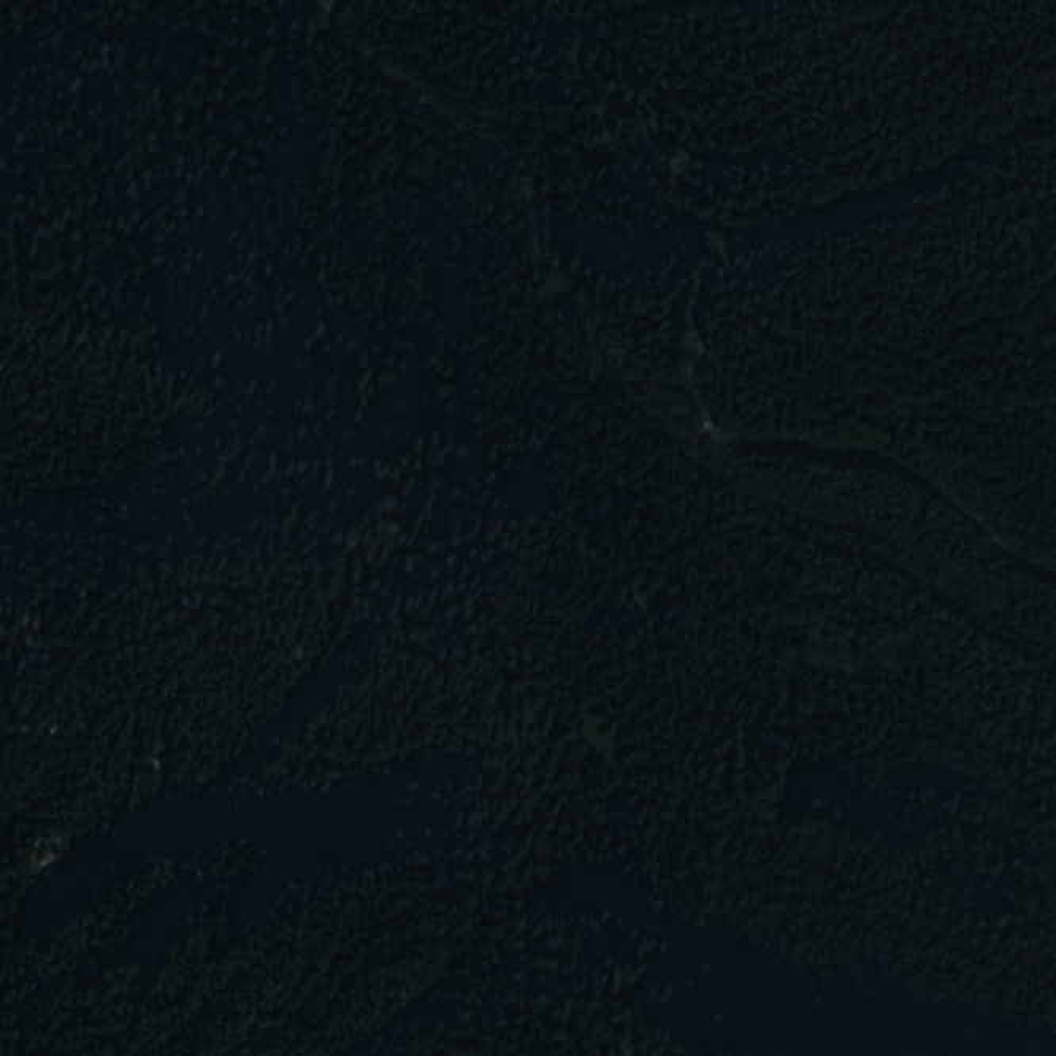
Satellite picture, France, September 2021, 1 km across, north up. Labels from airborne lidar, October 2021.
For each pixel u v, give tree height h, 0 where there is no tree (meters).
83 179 18
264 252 13
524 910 10
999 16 8
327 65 17
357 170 15
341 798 21
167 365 7
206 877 24
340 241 16
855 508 9
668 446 7
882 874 8
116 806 25
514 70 16
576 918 9
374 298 16
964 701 9
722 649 7
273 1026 32
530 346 12
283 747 32
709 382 10
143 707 18
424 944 20
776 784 25
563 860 17
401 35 14
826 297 25
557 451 18
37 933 10
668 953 10
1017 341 10
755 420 8
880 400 8
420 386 7
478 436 19
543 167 11
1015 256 14
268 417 32
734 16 27
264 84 9
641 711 19
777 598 10
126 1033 12
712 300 31
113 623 29
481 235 9
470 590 34
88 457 24
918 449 10
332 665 21
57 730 9
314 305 8
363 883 27
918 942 9
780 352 14
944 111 18
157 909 22
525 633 27
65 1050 20
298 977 17
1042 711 8
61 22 21
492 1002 7
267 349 19
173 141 26
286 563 29
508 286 11
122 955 11
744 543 12
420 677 26
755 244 6
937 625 7
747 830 7
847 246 26
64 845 7
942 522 8
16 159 18
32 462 21
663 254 17
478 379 7
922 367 15
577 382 12
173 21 18
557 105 23
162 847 8
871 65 21
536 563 20
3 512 28
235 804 22
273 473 9
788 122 20
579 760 20
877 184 16
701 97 16
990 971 10
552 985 8
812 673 10
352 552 19
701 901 12
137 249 9
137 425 29
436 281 13
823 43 14
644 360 11
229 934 23
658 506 15
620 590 6
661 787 19
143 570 9
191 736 16
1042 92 26
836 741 7
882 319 28
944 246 27
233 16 17
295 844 7
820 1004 10
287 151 14
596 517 26
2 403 24
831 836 11
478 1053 19
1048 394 13
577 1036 9
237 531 38
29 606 39
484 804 20
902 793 7
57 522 23
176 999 8
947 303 11
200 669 23
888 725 6
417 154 11
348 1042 18
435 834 16
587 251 15
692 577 9
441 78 8
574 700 18
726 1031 8
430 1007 13
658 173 11
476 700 24
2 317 31
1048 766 9
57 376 17
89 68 26
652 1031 19
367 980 23
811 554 8
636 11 16
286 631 19
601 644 13
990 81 20
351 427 39
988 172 33
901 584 6
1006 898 7
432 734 30
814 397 8
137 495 23
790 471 9
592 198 19
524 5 26
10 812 11
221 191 13
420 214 13
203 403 30
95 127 19
